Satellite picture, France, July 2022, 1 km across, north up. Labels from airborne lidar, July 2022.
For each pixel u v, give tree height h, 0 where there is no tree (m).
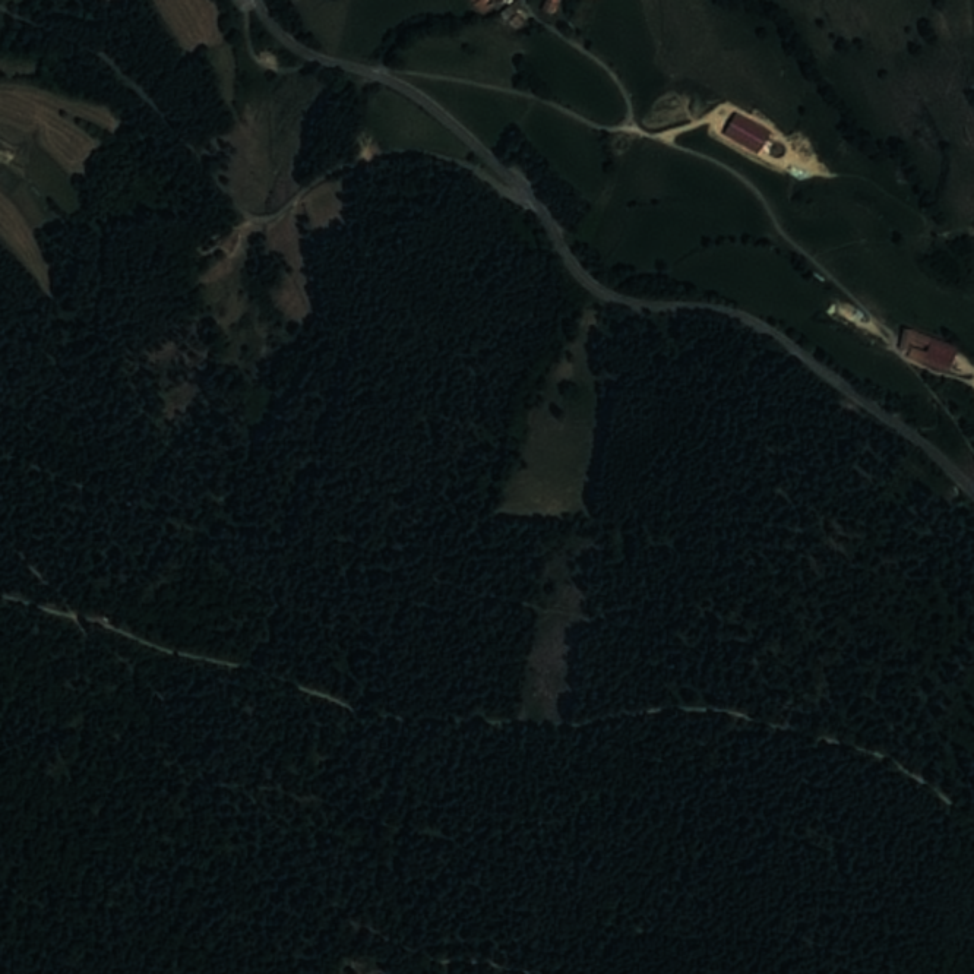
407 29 19
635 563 18
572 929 19
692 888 25
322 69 17
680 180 0
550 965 16
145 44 28
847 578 14
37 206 0
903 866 24
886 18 0
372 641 28
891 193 0
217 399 12
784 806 25
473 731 24
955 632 7
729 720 18
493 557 22
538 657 0
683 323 20
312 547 25
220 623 11
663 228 0
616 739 17
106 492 19
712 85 0
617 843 21
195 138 29
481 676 29
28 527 14
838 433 20
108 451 24
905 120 0
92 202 12
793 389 25
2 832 13
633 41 0
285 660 19
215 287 0
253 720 19
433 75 0
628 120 0
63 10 7
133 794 10
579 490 0
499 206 26
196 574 7
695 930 22
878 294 0
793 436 31
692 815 20
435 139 0
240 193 0
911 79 0
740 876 21
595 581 27
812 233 0
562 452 0
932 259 6
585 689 23
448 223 29
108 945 14
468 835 26
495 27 0
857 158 0
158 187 6
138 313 30
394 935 14
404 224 27
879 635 16
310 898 19
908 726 16
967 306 0
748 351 23
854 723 10
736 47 0
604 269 17
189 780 12
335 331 25
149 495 29
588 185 0
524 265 29
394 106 0
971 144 0
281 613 17
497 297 28
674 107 0
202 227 20
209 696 11
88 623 25
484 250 24
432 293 26
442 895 25
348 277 27
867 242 0
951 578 25
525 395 16
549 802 18
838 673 13
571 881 11
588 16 0
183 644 11
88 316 26
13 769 12
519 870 20
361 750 28
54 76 17
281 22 14
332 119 23
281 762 17
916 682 7
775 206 0
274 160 0
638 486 23
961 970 18
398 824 15
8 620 9
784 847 26
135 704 12
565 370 0
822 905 26
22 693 11
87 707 9
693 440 23
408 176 21
